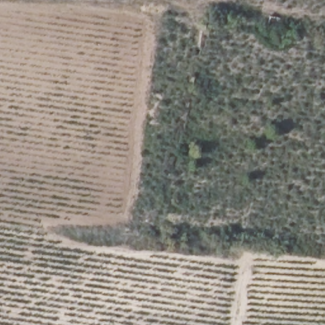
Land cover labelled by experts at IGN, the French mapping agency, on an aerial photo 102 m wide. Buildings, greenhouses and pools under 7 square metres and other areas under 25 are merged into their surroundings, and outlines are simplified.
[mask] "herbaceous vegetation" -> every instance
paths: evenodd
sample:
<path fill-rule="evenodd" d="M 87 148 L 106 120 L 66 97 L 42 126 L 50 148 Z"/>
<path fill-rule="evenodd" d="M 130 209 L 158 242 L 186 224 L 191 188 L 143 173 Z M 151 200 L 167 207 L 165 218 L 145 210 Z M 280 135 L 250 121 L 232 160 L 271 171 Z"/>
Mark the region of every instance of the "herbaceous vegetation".
<path fill-rule="evenodd" d="M 296 6 L 287 9 L 292 0 L 245 0 L 246 5 L 262 10 L 263 13 L 281 13 L 301 18 L 307 15 L 317 23 L 322 15 L 325 17 L 325 8 L 320 9 L 319 13 L 312 13 L 305 4 L 301 8 Z"/>
<path fill-rule="evenodd" d="M 199 223 L 192 216 L 170 213 L 168 220 L 203 227 L 231 225 L 237 223 L 242 229 L 249 226 L 249 216 L 254 213 L 253 202 L 244 209 L 226 208 L 226 217 L 223 220 L 209 218 L 206 223 Z"/>
<path fill-rule="evenodd" d="M 262 58 L 270 60 L 274 56 L 281 57 L 282 51 L 270 50 L 251 34 L 248 38 L 248 43 L 253 46 L 251 65 Z"/>
<path fill-rule="evenodd" d="M 142 5 L 154 4 L 164 5 L 166 10 L 187 11 L 187 17 L 175 17 L 175 20 L 184 23 L 188 28 L 198 29 L 197 47 L 202 44 L 203 34 L 209 32 L 206 25 L 203 25 L 207 6 L 213 1 L 235 3 L 236 0 L 0 0 L 0 3 L 88 4 L 100 8 L 123 8 L 136 13 L 140 13 Z"/>

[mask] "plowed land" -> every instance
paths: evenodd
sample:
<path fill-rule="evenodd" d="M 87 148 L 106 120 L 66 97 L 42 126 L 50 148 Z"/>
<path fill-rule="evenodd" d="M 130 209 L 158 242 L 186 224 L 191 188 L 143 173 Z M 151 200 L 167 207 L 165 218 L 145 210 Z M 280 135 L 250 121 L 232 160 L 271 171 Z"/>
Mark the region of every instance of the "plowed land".
<path fill-rule="evenodd" d="M 150 251 L 137 251 L 121 246 L 93 246 L 70 240 L 69 237 L 62 235 L 44 236 L 44 239 L 60 240 L 60 244 L 56 245 L 58 248 L 131 256 L 152 262 L 190 267 L 199 267 L 199 263 L 154 258 Z"/>
<path fill-rule="evenodd" d="M 245 251 L 240 259 L 230 259 L 161 251 L 161 255 L 173 258 L 232 264 L 239 267 L 234 282 L 231 325 L 244 325 L 246 317 L 253 315 L 253 312 L 248 311 L 249 302 L 267 303 L 264 300 L 248 300 L 246 286 L 249 283 L 267 286 L 269 284 L 253 279 L 268 278 L 268 274 L 259 277 L 259 274 L 251 273 L 256 258 L 254 253 Z"/>

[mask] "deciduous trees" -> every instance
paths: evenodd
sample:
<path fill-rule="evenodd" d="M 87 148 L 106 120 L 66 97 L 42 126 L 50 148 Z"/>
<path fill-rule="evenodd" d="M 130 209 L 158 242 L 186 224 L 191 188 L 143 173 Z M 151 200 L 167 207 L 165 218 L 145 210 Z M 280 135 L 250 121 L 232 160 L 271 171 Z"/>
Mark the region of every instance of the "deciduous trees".
<path fill-rule="evenodd" d="M 251 34 L 270 50 L 282 51 L 288 51 L 293 47 L 293 43 L 300 41 L 297 29 L 305 27 L 301 18 L 281 13 L 263 13 L 262 10 L 246 5 L 245 0 L 236 0 L 235 3 L 213 1 L 207 6 L 203 25 L 206 25 L 209 32 L 211 29 L 218 29 L 220 25 L 226 25 L 227 15 L 232 15 L 232 18 L 242 15 L 254 22 L 254 25 L 251 25 Z"/>
<path fill-rule="evenodd" d="M 140 234 L 128 236 L 128 240 L 122 240 L 121 246 L 137 251 L 150 251 L 161 251 L 230 259 L 240 259 L 245 251 L 254 253 L 267 253 L 273 256 L 312 256 L 325 260 L 325 235 L 305 234 L 298 239 L 296 236 L 283 235 L 279 232 L 278 239 L 273 236 L 269 240 L 264 234 L 236 234 L 231 225 L 203 227 L 168 220 L 164 221 L 164 226 L 160 226 L 159 229 L 149 223 L 137 225 Z"/>

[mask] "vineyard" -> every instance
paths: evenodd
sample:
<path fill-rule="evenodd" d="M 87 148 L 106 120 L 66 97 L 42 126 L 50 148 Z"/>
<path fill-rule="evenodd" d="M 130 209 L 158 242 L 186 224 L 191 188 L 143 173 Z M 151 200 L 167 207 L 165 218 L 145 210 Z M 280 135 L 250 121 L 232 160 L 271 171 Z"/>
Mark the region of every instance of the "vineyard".
<path fill-rule="evenodd" d="M 246 286 L 248 300 L 264 300 L 267 303 L 249 302 L 248 311 L 253 312 L 253 315 L 246 317 L 244 325 L 325 325 L 325 260 L 312 256 L 273 256 L 267 253 L 254 253 L 256 258 L 251 273 L 259 274 L 259 277 L 268 274 L 268 278 L 253 279 L 269 284 L 267 286 L 249 283 Z"/>
<path fill-rule="evenodd" d="M 44 239 L 44 236 L 33 235 L 32 230 L 28 230 L 30 225 L 113 226 L 117 222 L 131 220 L 131 209 L 137 201 L 140 183 L 143 128 L 157 43 L 155 25 L 161 24 L 161 15 L 166 10 L 164 5 L 154 4 L 142 5 L 140 13 L 136 13 L 123 8 L 100 8 L 88 4 L 0 3 L 0 325 L 231 325 L 234 282 L 239 267 L 232 264 L 173 258 L 161 255 L 161 251 L 150 251 L 154 258 L 199 263 L 199 267 L 190 267 L 152 262 L 131 256 L 58 248 L 56 245 L 60 244 L 60 240 Z"/>

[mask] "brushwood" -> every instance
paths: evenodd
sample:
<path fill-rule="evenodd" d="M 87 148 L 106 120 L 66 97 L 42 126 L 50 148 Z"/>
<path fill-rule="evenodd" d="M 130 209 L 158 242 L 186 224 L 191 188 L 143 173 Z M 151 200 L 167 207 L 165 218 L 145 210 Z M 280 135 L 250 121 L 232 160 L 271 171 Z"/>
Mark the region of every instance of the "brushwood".
<path fill-rule="evenodd" d="M 292 0 L 287 9 L 296 6 L 301 8 L 305 4 L 312 13 L 319 13 L 320 9 L 325 8 L 325 0 Z"/>
<path fill-rule="evenodd" d="M 166 10 L 161 15 L 161 24 L 155 25 L 157 43 L 143 128 L 140 183 L 137 201 L 131 209 L 131 220 L 117 222 L 113 226 L 30 225 L 28 230 L 32 230 L 33 235 L 44 236 L 62 235 L 69 237 L 70 240 L 93 246 L 121 246 L 122 240 L 128 240 L 128 236 L 140 234 L 137 225 L 149 223 L 159 229 L 160 226 L 164 226 L 164 221 L 168 220 L 170 213 L 192 216 L 199 223 L 206 223 L 209 218 L 223 220 L 226 217 L 226 208 L 244 209 L 253 202 L 254 213 L 249 216 L 249 226 L 242 229 L 237 223 L 231 225 L 236 234 L 264 234 L 269 240 L 273 236 L 278 239 L 279 232 L 283 235 L 296 236 L 298 239 L 305 234 L 325 235 L 325 17 L 322 15 L 317 23 L 307 15 L 301 18 L 305 27 L 297 29 L 300 41 L 293 43 L 293 47 L 288 51 L 282 51 L 281 57 L 274 56 L 270 60 L 262 58 L 251 65 L 253 46 L 248 43 L 248 38 L 251 34 L 251 25 L 254 25 L 254 22 L 242 15 L 232 18 L 232 15 L 227 15 L 226 25 L 220 25 L 218 29 L 211 29 L 209 32 L 203 34 L 202 44 L 197 47 L 198 29 L 188 28 L 184 23 L 175 20 L 175 17 L 187 17 L 187 11 Z"/>

